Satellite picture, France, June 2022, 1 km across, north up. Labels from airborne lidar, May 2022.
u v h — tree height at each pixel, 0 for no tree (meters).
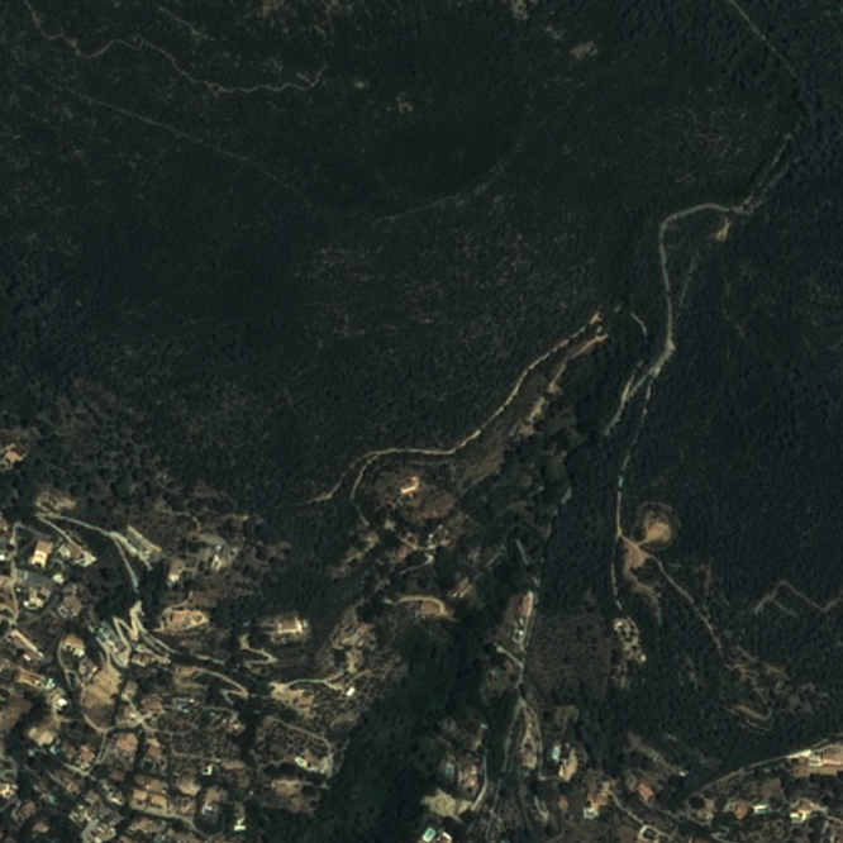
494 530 9
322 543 11
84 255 6
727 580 8
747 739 9
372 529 12
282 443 6
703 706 9
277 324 14
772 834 6
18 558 7
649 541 0
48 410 10
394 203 7
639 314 12
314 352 7
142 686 19
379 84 7
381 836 27
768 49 16
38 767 23
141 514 6
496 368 7
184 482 9
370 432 8
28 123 6
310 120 7
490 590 12
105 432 6
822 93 18
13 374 12
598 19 7
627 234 6
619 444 9
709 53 15
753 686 8
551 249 6
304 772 10
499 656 8
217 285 6
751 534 7
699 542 6
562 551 13
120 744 0
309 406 8
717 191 9
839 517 6
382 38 6
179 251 6
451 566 12
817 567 9
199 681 11
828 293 6
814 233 9
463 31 8
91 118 7
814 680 7
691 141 8
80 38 7
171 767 6
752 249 6
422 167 6
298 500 12
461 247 8
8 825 11
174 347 13
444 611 0
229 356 16
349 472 6
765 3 23
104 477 19
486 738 11
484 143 6
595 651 7
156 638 6
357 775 11
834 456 5
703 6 14
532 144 7
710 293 6
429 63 10
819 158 18
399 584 18
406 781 25
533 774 7
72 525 11
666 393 10
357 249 6
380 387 7
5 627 9
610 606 7
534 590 8
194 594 16
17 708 0
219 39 7
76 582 9
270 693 11
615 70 7
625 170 7
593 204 6
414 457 5
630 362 8
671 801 11
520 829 7
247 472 9
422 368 8
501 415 9
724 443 7
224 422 7
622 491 9
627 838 0
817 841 20
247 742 11
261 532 19
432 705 20
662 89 5
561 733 6
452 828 17
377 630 6
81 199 6
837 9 9
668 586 7
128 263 5
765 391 12
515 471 21
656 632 6
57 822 17
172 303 6
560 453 7
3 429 24
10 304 7
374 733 20
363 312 7
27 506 22
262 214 8
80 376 10
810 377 6
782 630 10
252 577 14
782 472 7
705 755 11
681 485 7
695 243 6
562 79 7
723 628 8
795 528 9
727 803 8
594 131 6
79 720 20
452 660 18
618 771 11
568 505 7
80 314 7
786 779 13
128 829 12
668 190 6
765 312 6
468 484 6
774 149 9
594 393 10
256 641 16
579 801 0
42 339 15
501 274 12
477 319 10
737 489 7
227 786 11
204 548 11
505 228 7
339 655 11
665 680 9
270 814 14
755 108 7
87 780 8
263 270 6
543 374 13
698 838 8
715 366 8
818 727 9
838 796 18
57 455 17
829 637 12
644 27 16
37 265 8
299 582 9
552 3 13
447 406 12
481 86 8
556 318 10
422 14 6
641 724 11
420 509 7
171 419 8
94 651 8
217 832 7
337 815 10
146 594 16
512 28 7
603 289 9
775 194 10
